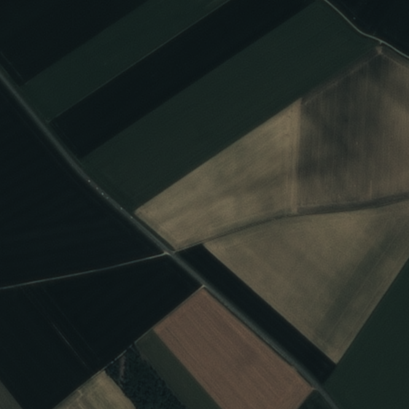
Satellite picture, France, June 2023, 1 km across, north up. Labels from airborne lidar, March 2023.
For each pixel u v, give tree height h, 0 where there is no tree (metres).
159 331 0
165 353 0
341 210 0
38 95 0
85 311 0
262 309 0
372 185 0
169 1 0
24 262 0
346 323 0
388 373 0
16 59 0
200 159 0
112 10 0
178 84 0
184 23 0
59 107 0
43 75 0
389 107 0
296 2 0
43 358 0
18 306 0
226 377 0
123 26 0
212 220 0
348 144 0
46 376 0
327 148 0
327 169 0
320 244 0
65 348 0
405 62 0
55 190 0
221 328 0
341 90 0
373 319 0
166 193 0
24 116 0
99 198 0
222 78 0
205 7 0
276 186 0
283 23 0
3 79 0
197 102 0
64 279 0
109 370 17
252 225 0
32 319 0
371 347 0
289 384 0
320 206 0
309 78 0
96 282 0
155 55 0
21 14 0
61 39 0
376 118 0
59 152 0
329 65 0
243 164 0
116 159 0
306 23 0
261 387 0
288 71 0
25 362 0
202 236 0
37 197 0
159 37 0
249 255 0
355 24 0
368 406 0
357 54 0
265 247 0
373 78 0
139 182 0
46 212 0
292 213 0
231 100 0
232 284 0
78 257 0
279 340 0
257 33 0
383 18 0
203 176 0
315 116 0
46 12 0
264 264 0
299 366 0
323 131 0
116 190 0
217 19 0
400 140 0
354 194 0
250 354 0
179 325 0
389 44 0
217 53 0
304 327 0
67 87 0
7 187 0
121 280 0
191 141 0
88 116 0
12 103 0
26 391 0
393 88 0
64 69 0
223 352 0
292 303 0
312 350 0
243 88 0
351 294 0
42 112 0
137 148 0
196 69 0
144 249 0
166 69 0
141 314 0
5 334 0
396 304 0
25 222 0
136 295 0
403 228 0
